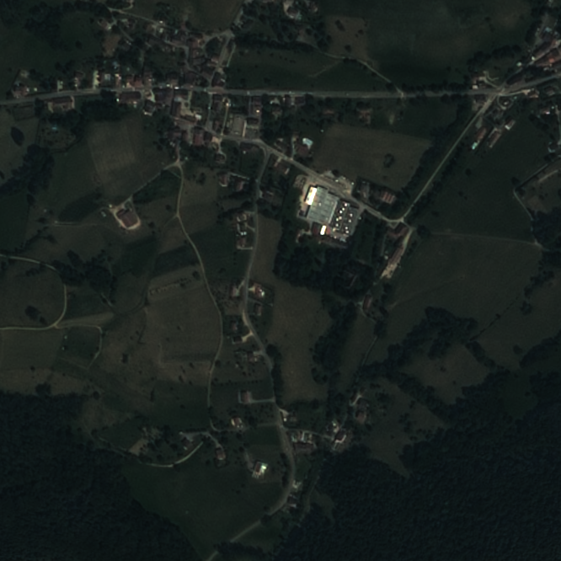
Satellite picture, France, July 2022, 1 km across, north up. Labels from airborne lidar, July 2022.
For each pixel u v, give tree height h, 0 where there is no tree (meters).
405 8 0
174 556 25
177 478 0
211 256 0
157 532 26
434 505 21
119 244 0
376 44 0
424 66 0
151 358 0
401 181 0
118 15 9
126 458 9
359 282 5
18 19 18
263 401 0
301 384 0
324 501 0
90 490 26
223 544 0
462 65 0
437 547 20
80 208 0
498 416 19
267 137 19
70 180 0
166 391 0
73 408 24
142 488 0
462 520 24
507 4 0
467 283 0
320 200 0
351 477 20
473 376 0
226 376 0
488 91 0
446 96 12
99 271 21
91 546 24
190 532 0
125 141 0
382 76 0
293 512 17
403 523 18
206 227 0
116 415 0
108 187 0
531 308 11
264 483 0
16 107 5
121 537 26
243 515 0
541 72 9
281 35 18
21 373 0
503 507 17
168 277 0
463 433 20
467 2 0
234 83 0
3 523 30
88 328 0
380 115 0
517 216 0
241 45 12
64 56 0
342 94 0
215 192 0
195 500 0
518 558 14
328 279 25
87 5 15
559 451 25
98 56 7
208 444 7
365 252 0
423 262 0
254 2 7
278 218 8
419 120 0
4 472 25
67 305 0
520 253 0
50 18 22
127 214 0
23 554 21
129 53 9
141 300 0
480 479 26
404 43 0
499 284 0
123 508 27
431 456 18
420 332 22
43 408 27
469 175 11
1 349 0
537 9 12
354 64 10
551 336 0
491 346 0
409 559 22
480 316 0
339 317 23
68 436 15
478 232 0
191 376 0
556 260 16
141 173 0
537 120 14
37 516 25
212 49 8
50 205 0
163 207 0
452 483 22
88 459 24
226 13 0
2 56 0
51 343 0
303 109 12
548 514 13
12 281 0
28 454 29
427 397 14
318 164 0
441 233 0
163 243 0
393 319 0
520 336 0
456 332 14
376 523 18
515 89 0
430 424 0
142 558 25
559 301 0
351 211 0
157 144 6
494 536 15
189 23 9
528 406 0
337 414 15
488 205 0
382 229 12
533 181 0
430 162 18
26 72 0
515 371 0
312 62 0
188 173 0
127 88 0
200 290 0
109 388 0
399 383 15
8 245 0
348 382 0
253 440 0
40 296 0
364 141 0
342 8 0
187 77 0
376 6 0
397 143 0
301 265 26
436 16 0
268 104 17
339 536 21
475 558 19
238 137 0
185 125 0
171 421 0
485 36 0
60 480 23
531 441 24
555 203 0
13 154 0
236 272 0
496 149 0
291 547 20
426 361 0
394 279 0
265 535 0
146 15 0
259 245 0
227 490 0
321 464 0
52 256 0
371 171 0
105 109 22
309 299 0
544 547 21
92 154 0
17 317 0
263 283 0
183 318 0
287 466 15
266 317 0
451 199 0
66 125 18
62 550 18
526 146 0
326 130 0
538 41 0
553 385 21
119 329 0
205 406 0
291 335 0
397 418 0
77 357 0
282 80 0
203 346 0
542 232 25
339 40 0
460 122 8
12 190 15
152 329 0
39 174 21
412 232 0
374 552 19
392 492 18
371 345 0
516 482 24
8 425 30
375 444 0
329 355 26
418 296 0
